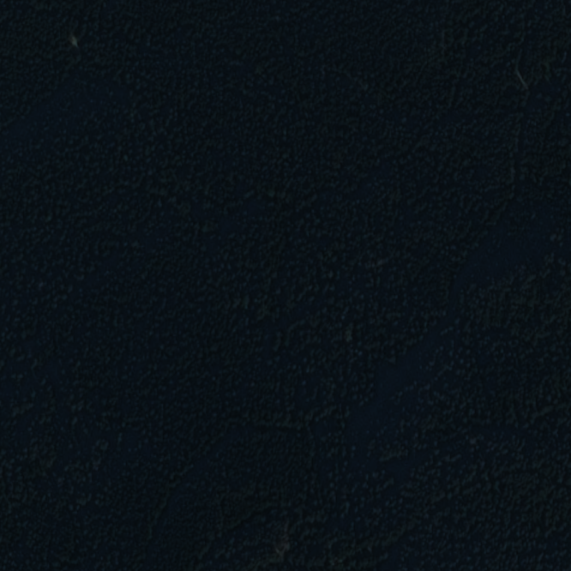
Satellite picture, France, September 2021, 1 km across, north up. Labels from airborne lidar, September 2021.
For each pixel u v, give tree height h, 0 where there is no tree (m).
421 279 20
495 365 19
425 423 28
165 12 27
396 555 7
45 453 29
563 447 26
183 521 26
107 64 31
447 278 17
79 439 12
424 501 22
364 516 9
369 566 25
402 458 28
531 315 13
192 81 28
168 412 26
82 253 27
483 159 31
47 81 29
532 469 27
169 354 25
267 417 23
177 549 23
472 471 31
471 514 23
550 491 23
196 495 23
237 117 29
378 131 32
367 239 33
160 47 21
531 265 21
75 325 17
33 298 22
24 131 26
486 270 22
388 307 22
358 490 17
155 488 26
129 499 25
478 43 27
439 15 25
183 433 21
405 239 28
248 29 30
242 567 23
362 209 30
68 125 23
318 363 27
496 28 18
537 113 28
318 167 32
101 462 11
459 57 28
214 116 31
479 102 31
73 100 22
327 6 26
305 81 26
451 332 22
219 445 6
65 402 37
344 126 29
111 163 24
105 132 21
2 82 26
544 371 13
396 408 29
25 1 28
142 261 19
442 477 14
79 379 16
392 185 30
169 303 26
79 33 26
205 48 21
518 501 11
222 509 19
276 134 28
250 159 28
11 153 24
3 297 21
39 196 20
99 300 23
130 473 14
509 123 28
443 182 24
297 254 25
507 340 17
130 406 22
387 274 29
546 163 19
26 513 24
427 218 30
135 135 23
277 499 14
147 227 26
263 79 31
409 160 18
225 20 27
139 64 33
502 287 28
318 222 16
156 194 23
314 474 9
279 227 11
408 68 26
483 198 18
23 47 29
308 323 37
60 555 31
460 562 19
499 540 19
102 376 24
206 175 27
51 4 35
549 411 27
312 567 27
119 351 18
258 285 19
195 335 22
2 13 25
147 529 23
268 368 31
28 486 27
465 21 27
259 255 28
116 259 13
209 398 22
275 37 33
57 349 24
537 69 25
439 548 28
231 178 29
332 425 10
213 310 24
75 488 10
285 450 20
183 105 18
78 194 15
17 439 14
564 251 19
